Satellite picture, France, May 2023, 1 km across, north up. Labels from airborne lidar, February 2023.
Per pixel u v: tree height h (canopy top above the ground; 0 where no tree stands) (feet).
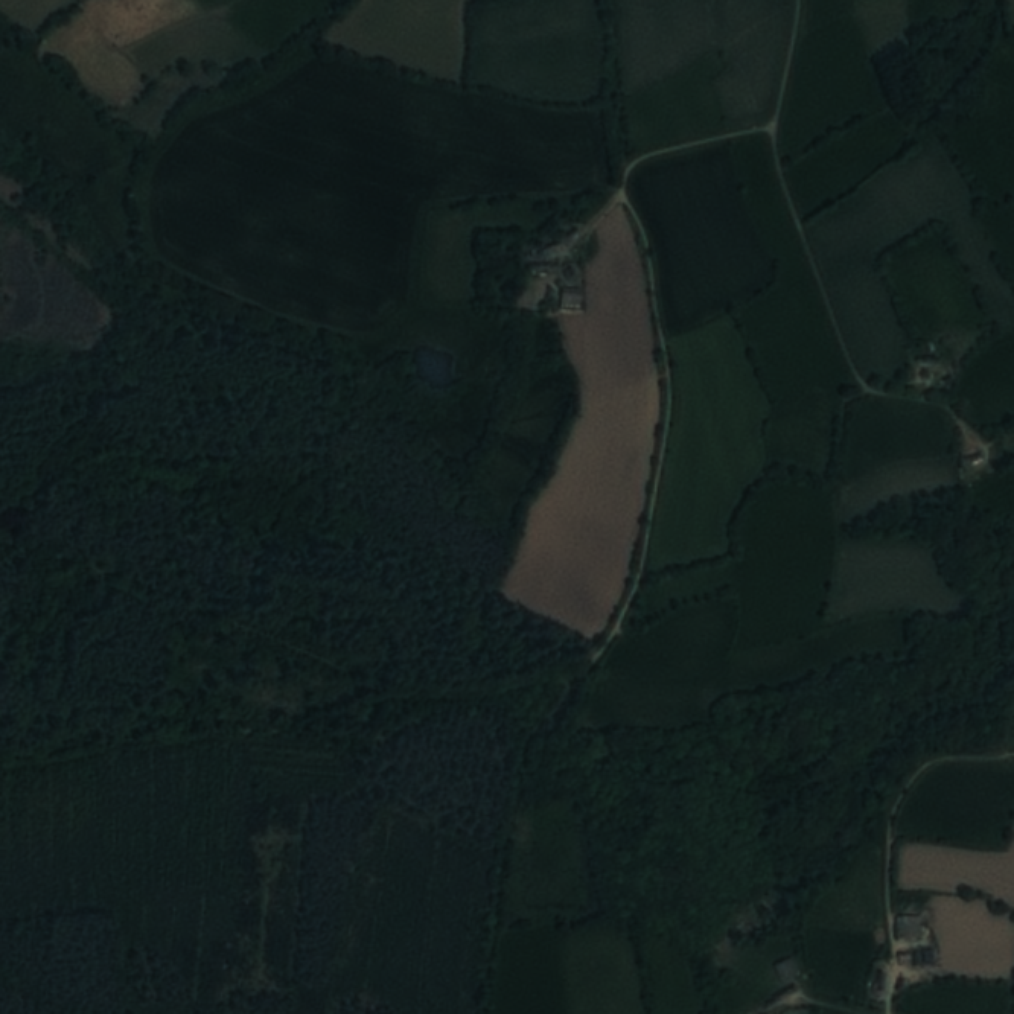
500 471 0
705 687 0
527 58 0
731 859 72
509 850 43
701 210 0
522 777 35
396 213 0
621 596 0
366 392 28
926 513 71
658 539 0
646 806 83
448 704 59
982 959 0
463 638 66
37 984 41
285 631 23
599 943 0
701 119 0
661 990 0
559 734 57
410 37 0
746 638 0
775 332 0
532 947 0
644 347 0
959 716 65
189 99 47
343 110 0
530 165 0
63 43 0
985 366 0
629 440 0
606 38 32
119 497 27
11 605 63
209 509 52
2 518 76
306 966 41
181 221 0
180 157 0
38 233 32
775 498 0
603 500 0
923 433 0
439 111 0
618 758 59
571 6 0
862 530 67
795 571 0
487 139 0
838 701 71
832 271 0
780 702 49
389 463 33
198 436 89
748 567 0
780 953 0
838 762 71
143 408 86
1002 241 0
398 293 0
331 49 41
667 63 0
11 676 44
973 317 0
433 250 0
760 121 0
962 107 50
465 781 24
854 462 0
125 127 44
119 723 84
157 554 71
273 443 91
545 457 22
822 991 0
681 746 46
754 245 0
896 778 35
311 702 43
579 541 0
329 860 47
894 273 0
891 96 92
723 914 83
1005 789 0
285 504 29
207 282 0
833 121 0
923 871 0
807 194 0
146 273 43
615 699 0
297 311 0
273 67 50
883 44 0
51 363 23
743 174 0
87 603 19
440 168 0
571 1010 0
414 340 0
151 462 40
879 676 57
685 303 0
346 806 41
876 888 0
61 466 25
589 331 0
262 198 0
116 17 0
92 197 0
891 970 0
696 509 0
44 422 75
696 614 0
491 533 46
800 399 0
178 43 0
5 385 24
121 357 60
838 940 0
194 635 66
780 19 0
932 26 43
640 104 0
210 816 22
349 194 0
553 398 0
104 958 65
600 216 0
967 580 68
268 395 62
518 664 56
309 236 0
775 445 0
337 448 68
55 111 0
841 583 0
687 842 66
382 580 88
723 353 0
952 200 0
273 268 0
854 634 0
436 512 56
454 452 0
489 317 52
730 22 0
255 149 0
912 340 30
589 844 36
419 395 28
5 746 82
